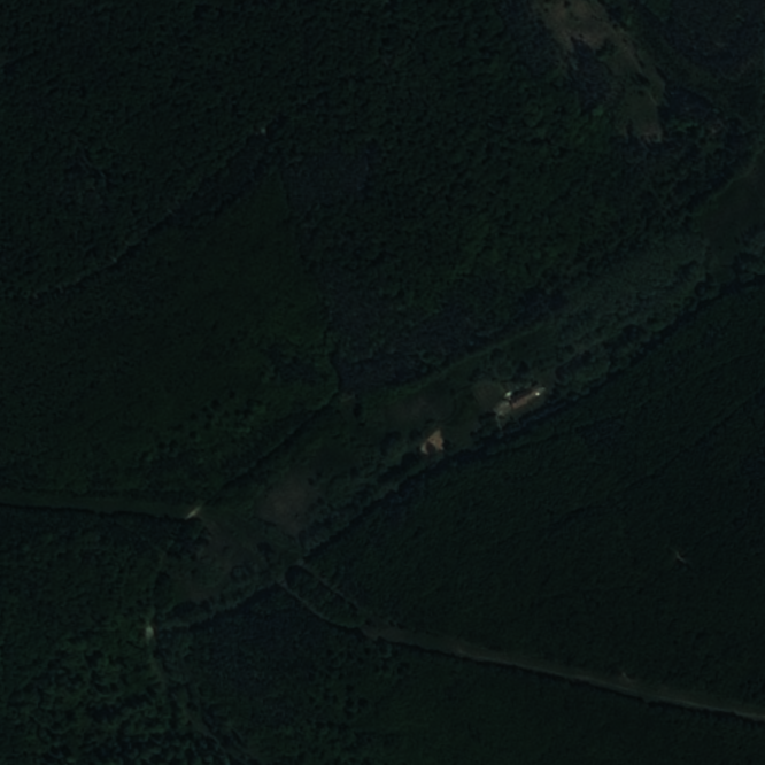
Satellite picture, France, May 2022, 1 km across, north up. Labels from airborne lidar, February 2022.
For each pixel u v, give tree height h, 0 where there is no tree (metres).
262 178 17
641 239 9
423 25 25
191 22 24
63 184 27
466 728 18
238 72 26
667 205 6
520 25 35
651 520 19
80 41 25
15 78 26
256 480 27
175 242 18
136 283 16
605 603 14
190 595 0
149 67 24
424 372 27
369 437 0
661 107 0
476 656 0
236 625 16
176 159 26
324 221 24
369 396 22
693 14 30
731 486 16
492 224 27
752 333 16
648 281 24
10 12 26
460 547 19
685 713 15
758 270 17
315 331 24
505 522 23
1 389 15
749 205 0
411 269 26
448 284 27
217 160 23
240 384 15
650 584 13
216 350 14
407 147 28
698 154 26
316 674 21
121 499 12
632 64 0
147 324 13
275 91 24
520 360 0
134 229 27
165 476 20
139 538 16
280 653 16
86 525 18
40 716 33
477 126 32
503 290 32
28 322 15
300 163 22
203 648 18
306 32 18
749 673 13
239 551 0
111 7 24
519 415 0
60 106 24
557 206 32
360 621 14
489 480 21
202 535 18
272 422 17
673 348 17
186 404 16
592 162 30
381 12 26
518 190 29
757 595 12
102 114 24
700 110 37
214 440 16
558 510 21
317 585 18
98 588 23
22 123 25
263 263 22
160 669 0
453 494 17
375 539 18
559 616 14
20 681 27
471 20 28
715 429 19
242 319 22
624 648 14
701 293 15
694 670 14
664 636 14
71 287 16
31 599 28
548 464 19
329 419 23
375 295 22
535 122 31
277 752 20
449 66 28
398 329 20
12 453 16
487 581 21
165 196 22
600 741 15
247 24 24
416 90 27
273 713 11
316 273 25
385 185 24
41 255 25
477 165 29
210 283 15
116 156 25
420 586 20
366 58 25
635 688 0
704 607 14
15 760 33
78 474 21
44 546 26
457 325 30
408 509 18
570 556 19
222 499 19
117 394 14
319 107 21
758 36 29
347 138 24
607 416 15
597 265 13
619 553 22
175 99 26
